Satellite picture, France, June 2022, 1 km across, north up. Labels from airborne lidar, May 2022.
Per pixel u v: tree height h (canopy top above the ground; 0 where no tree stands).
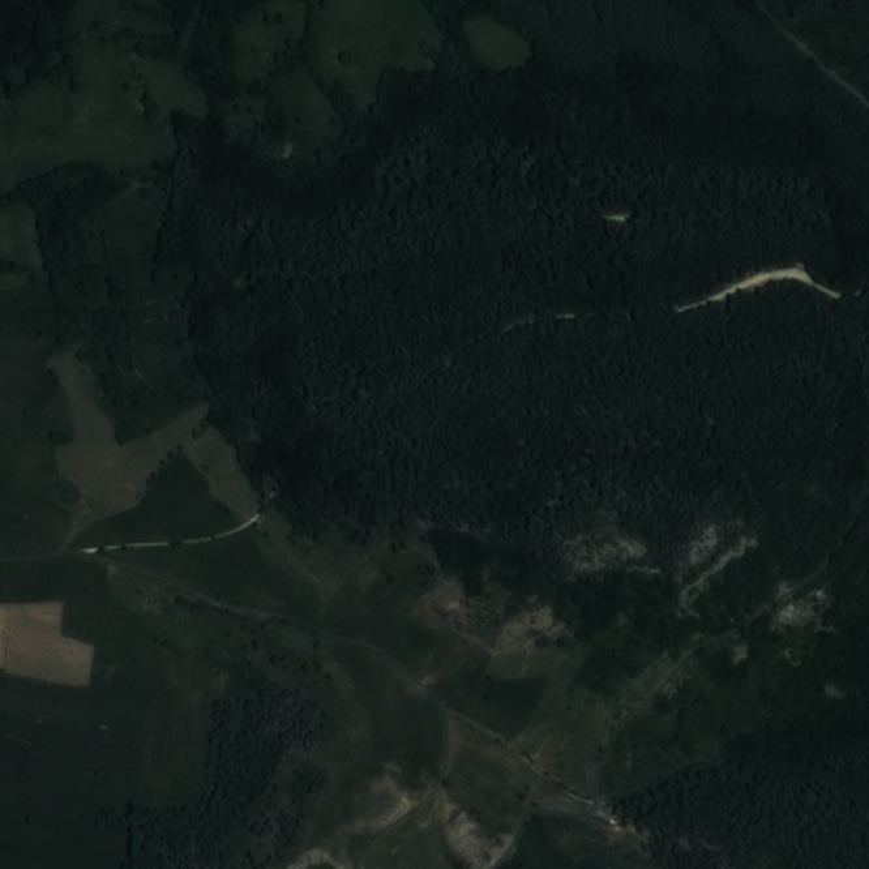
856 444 17
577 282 11
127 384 0
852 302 17
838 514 19
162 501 0
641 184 21
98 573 0
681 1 18
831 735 18
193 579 0
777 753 18
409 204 21
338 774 0
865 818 25
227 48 16
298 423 15
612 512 10
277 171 19
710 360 26
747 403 23
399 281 23
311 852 0
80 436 0
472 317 22
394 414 19
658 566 10
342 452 18
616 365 18
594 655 0
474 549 12
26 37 16
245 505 0
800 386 23
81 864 0
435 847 0
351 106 11
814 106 10
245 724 8
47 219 10
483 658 0
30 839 0
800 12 14
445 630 0
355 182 26
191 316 13
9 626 0
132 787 0
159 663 0
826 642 8
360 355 21
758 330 20
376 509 18
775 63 16
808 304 17
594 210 25
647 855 11
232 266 21
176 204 25
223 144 15
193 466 0
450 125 26
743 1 26
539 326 12
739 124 18
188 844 12
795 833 21
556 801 0
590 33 17
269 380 12
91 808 0
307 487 14
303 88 0
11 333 0
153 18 13
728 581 10
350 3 0
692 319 20
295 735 14
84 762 0
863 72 7
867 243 23
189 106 0
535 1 16
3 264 15
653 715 0
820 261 15
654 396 20
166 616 0
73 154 0
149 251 8
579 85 19
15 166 0
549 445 15
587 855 0
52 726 0
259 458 13
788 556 11
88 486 0
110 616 0
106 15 0
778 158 24
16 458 0
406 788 0
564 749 0
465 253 23
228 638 7
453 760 0
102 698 0
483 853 0
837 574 7
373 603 0
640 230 27
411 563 0
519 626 0
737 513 11
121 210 0
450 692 0
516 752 0
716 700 0
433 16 11
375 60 0
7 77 7
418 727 0
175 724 0
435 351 20
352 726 0
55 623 0
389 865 0
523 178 25
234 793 14
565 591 9
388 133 22
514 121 27
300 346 19
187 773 0
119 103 0
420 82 19
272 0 14
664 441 16
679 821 20
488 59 0
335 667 0
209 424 9
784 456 19
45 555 0
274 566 0
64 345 11
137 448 0
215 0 19
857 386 19
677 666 0
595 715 0
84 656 0
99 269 9
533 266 18
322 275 28
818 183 21
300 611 0
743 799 17
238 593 0
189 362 10
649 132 18
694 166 20
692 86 19
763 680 0
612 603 15
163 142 0
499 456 17
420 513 12
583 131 22
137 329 0
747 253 20
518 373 16
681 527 17
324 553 0
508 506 17
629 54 16
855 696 9
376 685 0
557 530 22
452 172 22
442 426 18
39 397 0
